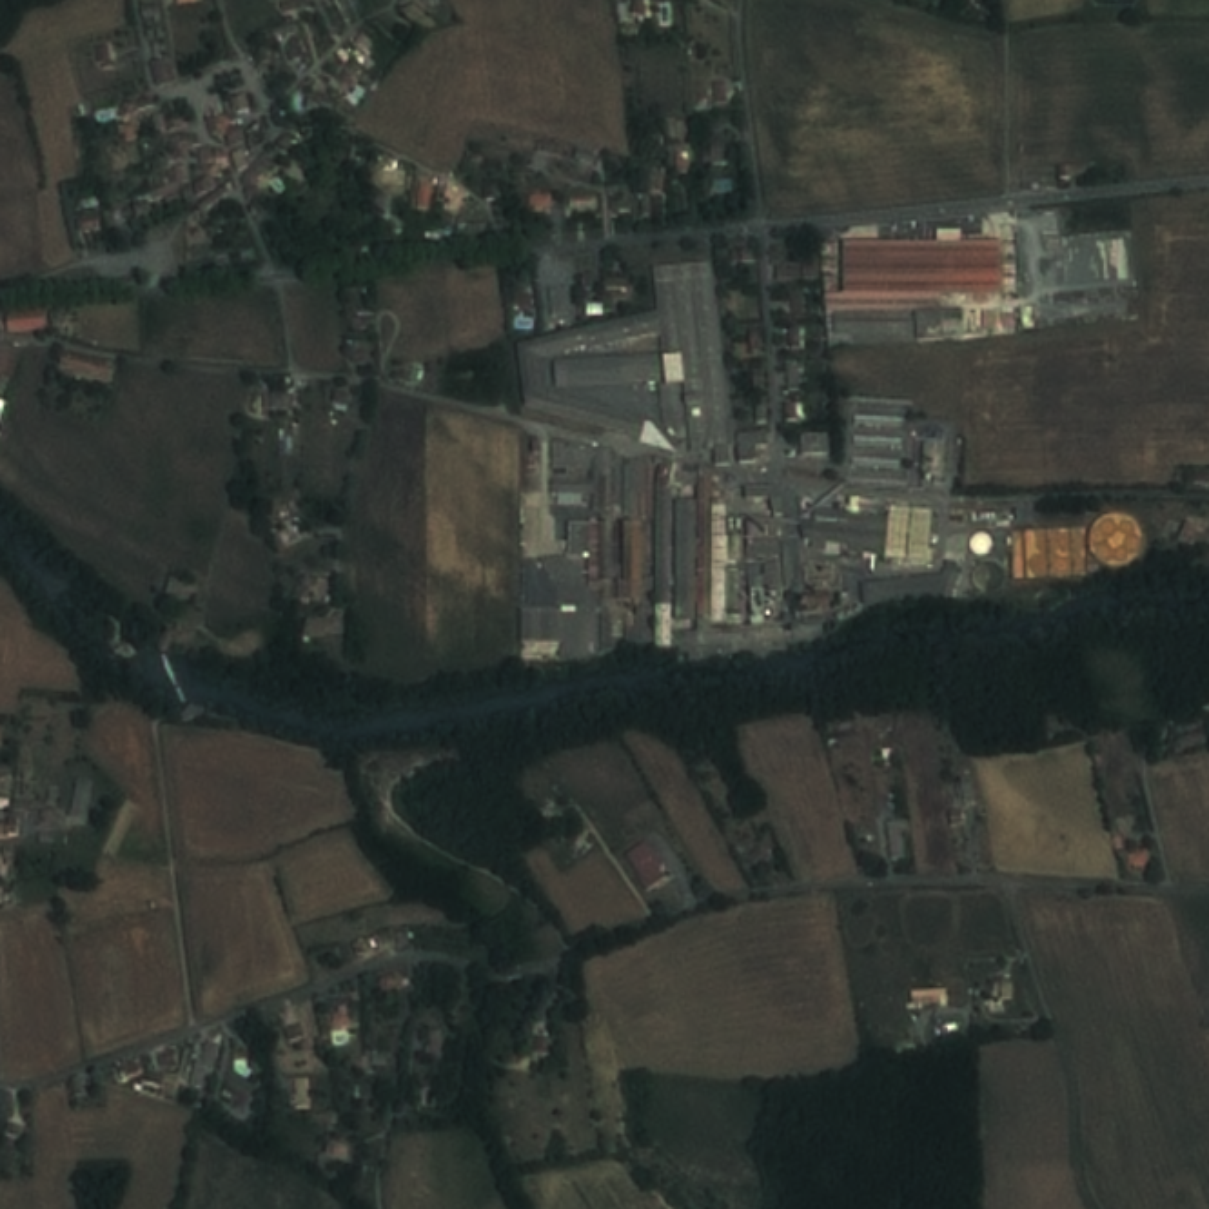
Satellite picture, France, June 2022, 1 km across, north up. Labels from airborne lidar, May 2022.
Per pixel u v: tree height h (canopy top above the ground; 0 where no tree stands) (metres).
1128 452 0
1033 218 0
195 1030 0
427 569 0
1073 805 0
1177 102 0
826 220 0
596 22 0
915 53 0
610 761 0
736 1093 0
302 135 6
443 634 0
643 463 0
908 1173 13
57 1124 0
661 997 0
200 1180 0
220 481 0
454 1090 6
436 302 0
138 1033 0
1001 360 0
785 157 0
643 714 14
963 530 0
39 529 7
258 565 0
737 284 8
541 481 0
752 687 16
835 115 0
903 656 9
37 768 0
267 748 0
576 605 0
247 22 0
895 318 0
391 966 0
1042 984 0
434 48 0
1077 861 0
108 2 0
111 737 0
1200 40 0
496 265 23
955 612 14
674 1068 0
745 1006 0
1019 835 0
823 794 0
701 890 16
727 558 0
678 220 16
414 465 0
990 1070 0
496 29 0
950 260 0
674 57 0
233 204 7
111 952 0
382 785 0
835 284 0
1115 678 0
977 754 15
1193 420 0
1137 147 0
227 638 0
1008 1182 0
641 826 0
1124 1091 0
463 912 13
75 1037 0
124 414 0
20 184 0
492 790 11
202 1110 6
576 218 7
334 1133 8
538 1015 15
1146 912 0
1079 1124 0
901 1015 0
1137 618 18
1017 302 0
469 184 8
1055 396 0
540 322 6
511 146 0
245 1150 14
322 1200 0
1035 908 0
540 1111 0
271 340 0
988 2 12
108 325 0
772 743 0
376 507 0
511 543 0
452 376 0
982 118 0
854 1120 19
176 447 0
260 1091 9
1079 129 0
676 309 0
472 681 14
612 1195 0
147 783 0
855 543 0
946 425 0
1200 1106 0
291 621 6
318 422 0
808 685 16
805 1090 17
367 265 18
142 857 0
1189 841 0
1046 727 8
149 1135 0
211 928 0
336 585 17
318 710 11
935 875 0
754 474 0
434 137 0
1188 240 0
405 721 0
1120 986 0
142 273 16
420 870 9
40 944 0
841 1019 0
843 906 0
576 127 0
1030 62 0
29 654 0
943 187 0
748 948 0
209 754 0
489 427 0
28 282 14
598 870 0
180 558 0
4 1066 0
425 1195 0
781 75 0
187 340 0
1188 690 15
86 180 7
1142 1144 0
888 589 0
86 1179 19
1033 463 0
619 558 0
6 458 0
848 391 8
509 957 30
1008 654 21
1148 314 0
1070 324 0
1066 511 10
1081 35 0
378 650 0
